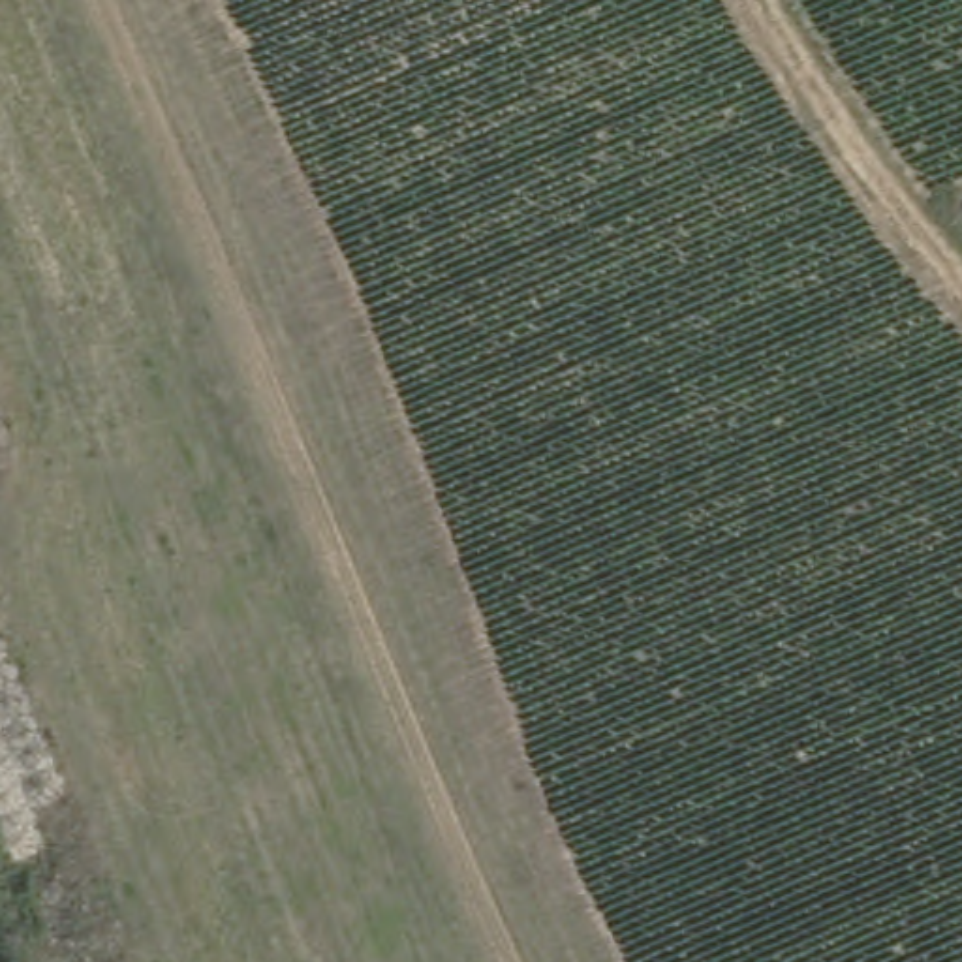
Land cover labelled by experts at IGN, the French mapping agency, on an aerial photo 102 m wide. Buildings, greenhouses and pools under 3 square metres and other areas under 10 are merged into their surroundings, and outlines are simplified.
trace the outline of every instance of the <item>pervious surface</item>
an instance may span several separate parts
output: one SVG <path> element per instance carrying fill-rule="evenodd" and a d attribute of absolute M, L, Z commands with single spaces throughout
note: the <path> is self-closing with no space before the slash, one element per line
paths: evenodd
<path fill-rule="evenodd" d="M 485 879 L 485 868 L 477 864 L 462 815 L 436 767 L 428 733 L 410 699 L 395 650 L 383 635 L 380 613 L 365 590 L 365 579 L 353 564 L 349 541 L 334 519 L 323 477 L 293 413 L 293 395 L 282 387 L 278 361 L 263 346 L 256 308 L 248 304 L 225 259 L 222 237 L 177 147 L 165 105 L 158 101 L 150 68 L 132 38 L 120 0 L 79 0 L 86 8 L 90 26 L 109 49 L 109 68 L 124 86 L 128 113 L 147 139 L 154 169 L 162 165 L 177 177 L 180 203 L 192 214 L 184 256 L 192 271 L 210 286 L 214 323 L 222 327 L 237 357 L 237 368 L 252 387 L 248 402 L 259 425 L 267 428 L 271 458 L 278 458 L 286 470 L 293 515 L 319 556 L 334 605 L 346 613 L 353 635 L 353 669 L 376 688 L 372 725 L 383 737 L 383 744 L 402 755 L 406 782 L 421 789 L 428 812 L 428 846 L 455 883 L 458 913 L 477 928 L 485 962 L 522 962 Z"/>
<path fill-rule="evenodd" d="M 872 150 L 872 143 L 857 132 L 842 94 L 812 60 L 812 49 L 789 23 L 782 0 L 722 0 L 733 15 L 740 41 L 770 75 L 789 116 L 812 135 L 834 177 L 853 195 L 857 210 L 868 218 L 876 241 L 917 286 L 928 274 L 936 274 L 939 289 L 962 301 L 962 256 L 921 210 L 921 203 L 909 199 L 909 192 L 894 180 L 883 158 Z"/>
<path fill-rule="evenodd" d="M 64 793 L 64 778 L 45 748 L 26 688 L 19 684 L 19 669 L 0 669 L 0 849 L 11 861 L 23 861 L 41 849 L 34 812 Z"/>

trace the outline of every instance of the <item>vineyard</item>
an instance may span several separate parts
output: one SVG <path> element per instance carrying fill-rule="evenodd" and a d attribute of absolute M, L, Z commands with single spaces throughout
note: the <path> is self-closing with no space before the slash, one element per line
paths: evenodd
<path fill-rule="evenodd" d="M 815 30 L 830 41 L 838 68 L 864 94 L 868 109 L 879 116 L 898 154 L 921 173 L 924 188 L 951 184 L 962 177 L 962 0 L 800 0 Z"/>
<path fill-rule="evenodd" d="M 789 116 L 770 75 L 740 41 L 733 15 L 722 0 L 225 0 L 229 15 L 248 34 L 252 60 L 282 113 L 286 139 L 293 143 L 293 154 L 316 199 L 327 207 L 331 229 L 357 274 L 387 368 L 425 447 L 425 462 L 432 470 L 436 496 L 455 534 L 473 597 L 485 613 L 485 628 L 504 684 L 519 706 L 526 752 L 534 770 L 541 774 L 549 812 L 556 815 L 556 827 L 575 853 L 579 876 L 590 887 L 597 909 L 605 913 L 613 936 L 620 939 L 628 962 L 962 962 L 962 334 L 954 331 L 954 323 L 939 319 L 939 308 L 928 297 L 921 297 L 917 286 L 876 241 L 868 218 L 857 210 L 853 195 L 834 177 L 812 135 Z"/>

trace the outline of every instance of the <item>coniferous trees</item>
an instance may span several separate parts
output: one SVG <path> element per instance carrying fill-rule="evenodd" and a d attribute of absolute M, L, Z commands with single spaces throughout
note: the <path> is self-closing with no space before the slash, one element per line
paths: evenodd
<path fill-rule="evenodd" d="M 0 849 L 0 962 L 34 962 L 49 947 L 49 932 L 41 932 L 30 876 L 19 868 L 23 861 L 11 861 Z"/>

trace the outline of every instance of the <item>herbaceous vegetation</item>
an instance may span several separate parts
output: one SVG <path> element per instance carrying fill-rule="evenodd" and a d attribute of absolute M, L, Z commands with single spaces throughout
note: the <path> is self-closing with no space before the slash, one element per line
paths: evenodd
<path fill-rule="evenodd" d="M 421 789 L 406 782 L 402 755 L 383 744 L 383 737 L 372 725 L 376 688 L 353 669 L 353 635 L 346 613 L 334 605 L 319 556 L 293 515 L 286 470 L 278 458 L 271 458 L 267 428 L 259 425 L 248 402 L 252 387 L 237 368 L 237 357 L 222 327 L 214 323 L 210 286 L 192 271 L 184 256 L 192 214 L 180 203 L 177 177 L 162 165 L 154 169 L 147 139 L 128 113 L 124 86 L 109 68 L 109 49 L 90 26 L 86 8 L 79 0 L 0 0 L 0 669 L 19 669 L 19 684 L 26 688 L 45 748 L 64 778 L 64 793 L 34 812 L 41 849 L 23 861 L 19 868 L 30 876 L 41 932 L 49 932 L 49 947 L 34 962 L 485 962 L 477 928 L 458 913 L 455 883 L 428 846 L 428 812 Z"/>
<path fill-rule="evenodd" d="M 575 853 L 556 827 L 556 815 L 549 812 L 541 774 L 534 770 L 526 752 L 519 706 L 504 684 L 485 628 L 485 613 L 473 597 L 455 534 L 436 496 L 432 470 L 425 462 L 425 447 L 387 368 L 357 274 L 331 229 L 327 207 L 316 199 L 293 154 L 293 143 L 286 139 L 282 113 L 252 60 L 248 34 L 229 15 L 225 0 L 120 0 L 132 38 L 150 68 L 158 101 L 165 105 L 177 147 L 222 237 L 225 259 L 248 304 L 256 308 L 263 346 L 278 361 L 282 387 L 293 395 L 293 413 L 323 477 L 334 519 L 349 541 L 353 564 L 365 579 L 365 590 L 380 613 L 383 635 L 395 650 L 410 699 L 428 733 L 436 767 L 462 815 L 477 864 L 485 868 L 485 879 L 522 962 L 628 962 L 620 939 L 613 936 L 605 913 L 597 909 L 590 887 L 579 876 Z"/>
<path fill-rule="evenodd" d="M 924 188 L 921 173 L 898 154 L 879 116 L 868 109 L 864 94 L 838 68 L 830 41 L 815 30 L 800 0 L 782 0 L 789 23 L 812 49 L 812 60 L 842 94 L 857 132 L 872 143 L 872 150 L 883 158 L 894 180 L 909 192 L 909 199 L 921 203 L 921 210 L 962 256 L 962 177 L 951 184 Z"/>
<path fill-rule="evenodd" d="M 939 289 L 936 274 L 928 274 L 917 286 L 921 297 L 928 297 L 939 308 L 939 319 L 954 323 L 954 331 L 962 334 L 962 301 Z"/>

